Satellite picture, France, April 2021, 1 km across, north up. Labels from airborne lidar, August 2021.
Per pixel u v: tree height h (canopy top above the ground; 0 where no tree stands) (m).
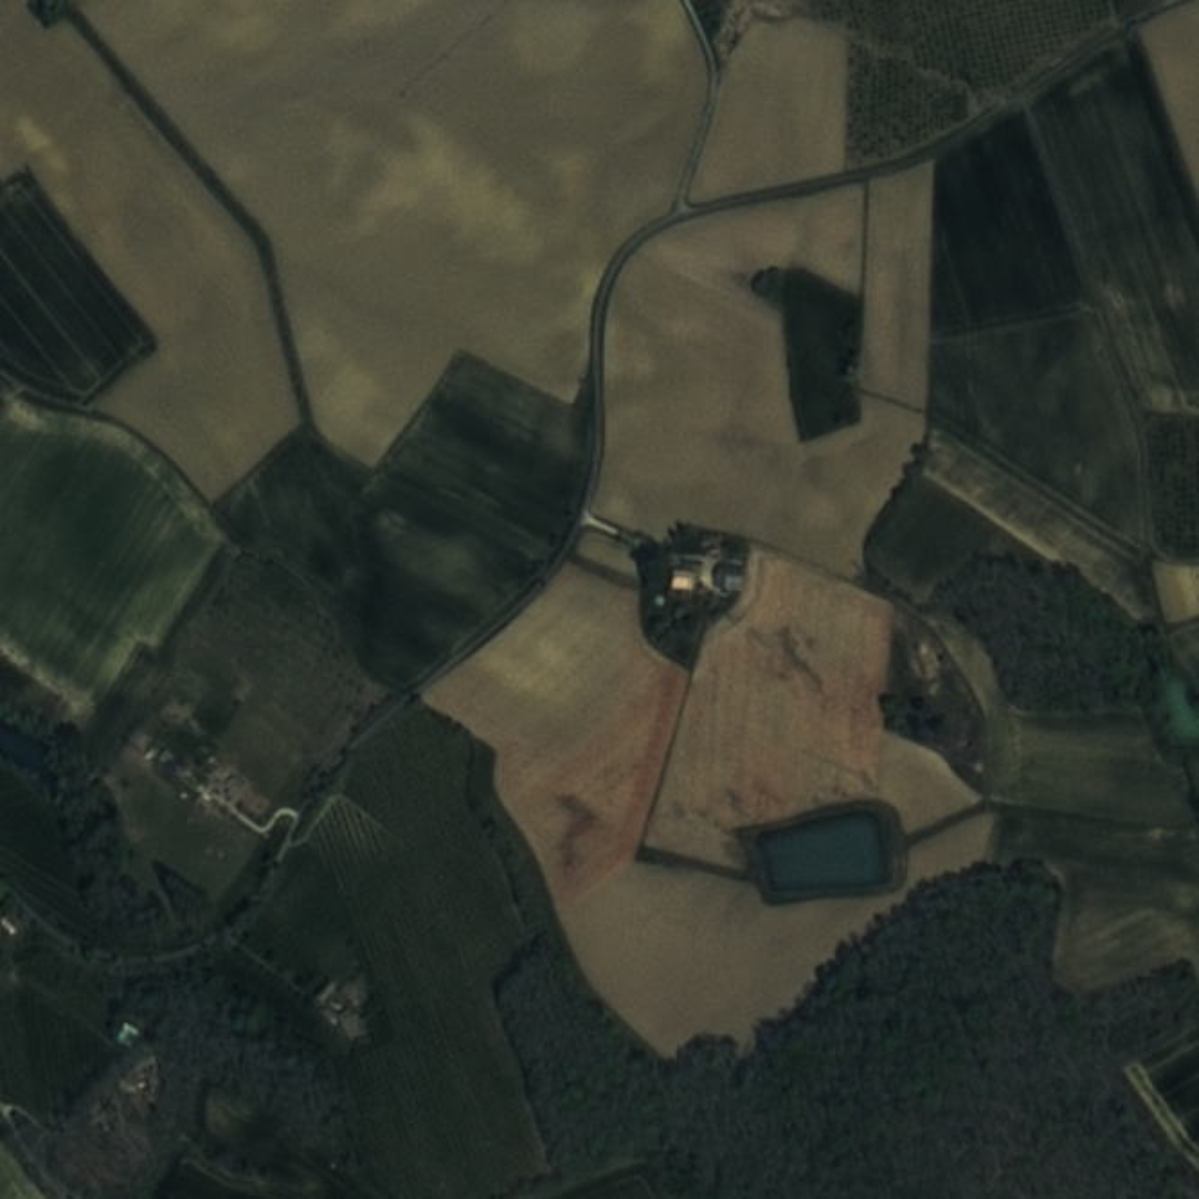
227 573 0
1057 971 16
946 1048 20
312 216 0
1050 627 19
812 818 0
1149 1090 0
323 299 0
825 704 0
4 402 0
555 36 0
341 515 0
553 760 0
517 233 0
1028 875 16
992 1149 18
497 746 0
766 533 0
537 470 0
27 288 0
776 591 0
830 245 0
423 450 0
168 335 0
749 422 0
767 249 0
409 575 0
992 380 0
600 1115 23
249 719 0
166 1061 15
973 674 0
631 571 0
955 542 0
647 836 0
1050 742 0
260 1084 16
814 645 0
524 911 16
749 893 0
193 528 0
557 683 0
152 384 0
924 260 0
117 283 0
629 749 0
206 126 0
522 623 0
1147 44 0
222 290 0
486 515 0
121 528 0
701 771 0
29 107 0
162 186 0
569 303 0
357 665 0
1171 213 0
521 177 0
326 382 0
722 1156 19
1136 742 0
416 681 0
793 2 0
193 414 0
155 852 0
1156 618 0
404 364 0
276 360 0
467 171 0
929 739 22
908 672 0
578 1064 27
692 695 0
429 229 0
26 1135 17
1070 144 0
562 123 0
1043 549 0
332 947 0
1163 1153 22
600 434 0
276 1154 0
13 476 0
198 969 15
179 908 28
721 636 0
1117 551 0
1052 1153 15
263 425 0
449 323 0
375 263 0
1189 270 0
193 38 0
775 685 0
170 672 0
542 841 0
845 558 0
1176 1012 7
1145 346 0
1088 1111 19
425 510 0
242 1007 14
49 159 0
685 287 0
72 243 0
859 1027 23
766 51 0
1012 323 0
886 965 24
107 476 0
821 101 0
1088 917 0
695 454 0
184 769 13
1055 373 0
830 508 0
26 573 0
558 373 0
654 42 0
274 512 0
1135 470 0
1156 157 0
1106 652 22
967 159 0
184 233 0
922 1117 23
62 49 0
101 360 0
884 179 0
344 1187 0
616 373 0
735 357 0
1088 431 0
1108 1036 8
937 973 26
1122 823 0
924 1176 16
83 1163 18
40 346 0
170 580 0
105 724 0
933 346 0
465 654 0
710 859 0
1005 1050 22
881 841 0
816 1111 23
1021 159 0
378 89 0
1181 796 0
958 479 0
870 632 0
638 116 0
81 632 0
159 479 0
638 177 0
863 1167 21
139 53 0
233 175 0
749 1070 14
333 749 0
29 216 0
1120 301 0
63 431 0
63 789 21
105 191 0
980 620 19
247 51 0
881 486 0
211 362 0
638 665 0
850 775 0
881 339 0
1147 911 0
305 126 0
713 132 0
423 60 0
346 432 0
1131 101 0
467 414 0
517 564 0
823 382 0
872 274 0
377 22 0
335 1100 15
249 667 0
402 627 0
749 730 0
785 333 0
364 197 0
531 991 24
